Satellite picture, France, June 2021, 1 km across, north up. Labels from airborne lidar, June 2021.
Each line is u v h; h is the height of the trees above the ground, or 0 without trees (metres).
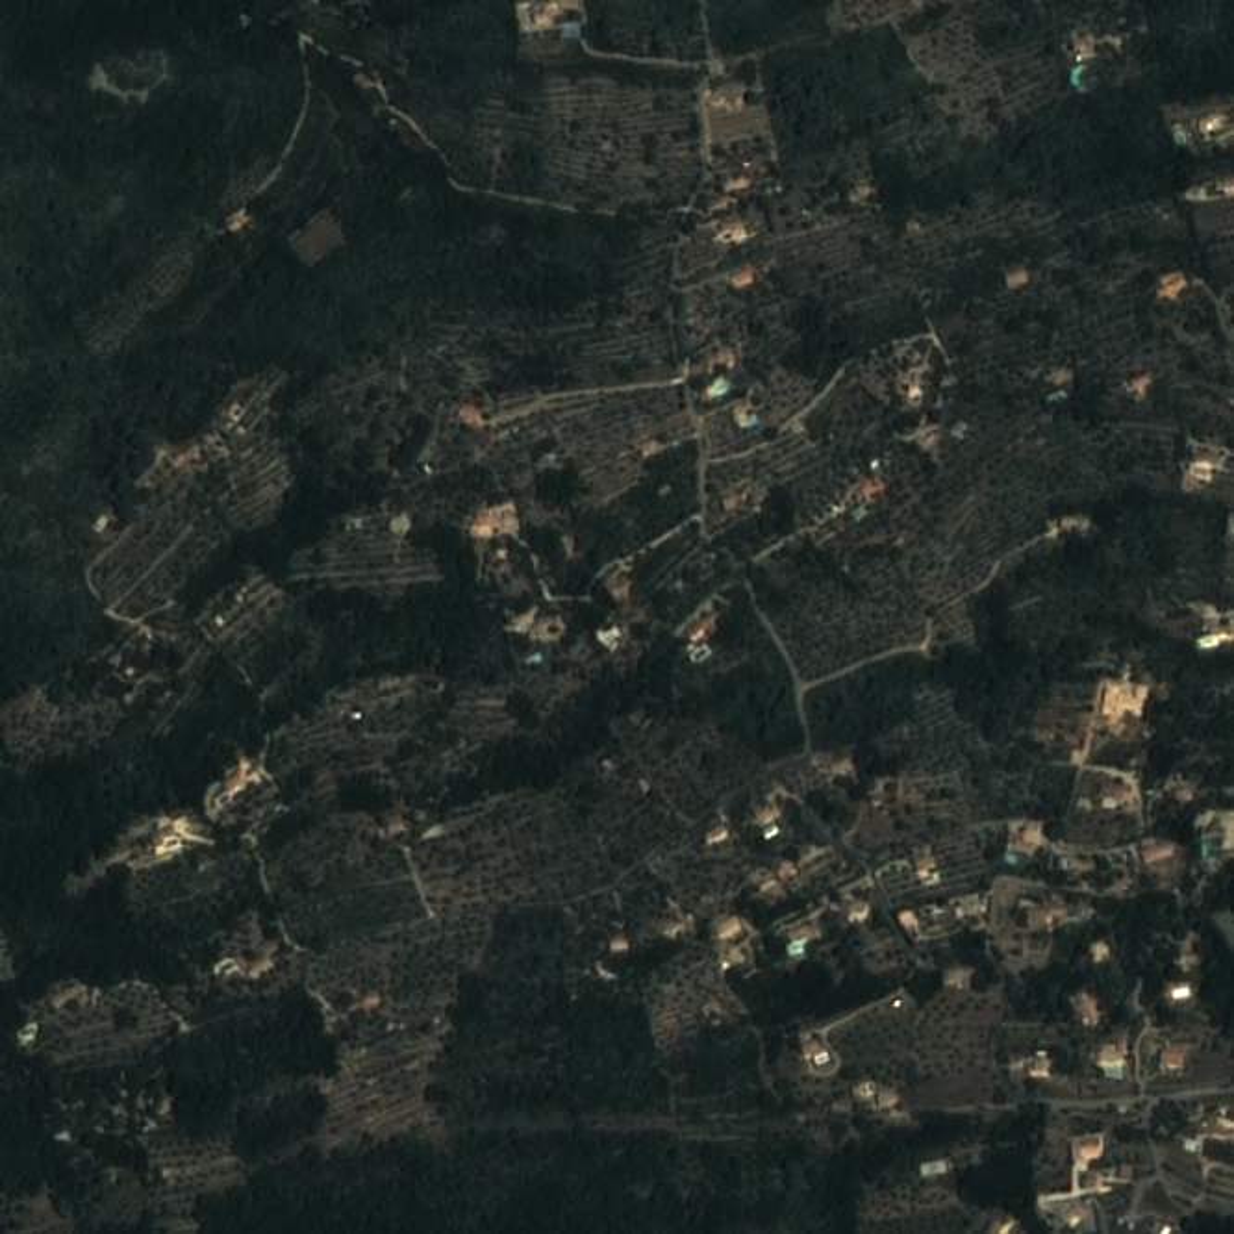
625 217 7
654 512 6
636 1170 8
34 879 13
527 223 10
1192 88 11
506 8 6
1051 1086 0
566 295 12
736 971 11
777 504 12
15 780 11
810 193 9
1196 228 7
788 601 6
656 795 10
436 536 8
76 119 8
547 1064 7
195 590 12
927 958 7
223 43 10
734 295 9
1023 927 6
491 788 12
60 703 12
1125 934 7
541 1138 8
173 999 6
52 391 7
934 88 7
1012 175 13
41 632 8
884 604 6
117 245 9
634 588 9
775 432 10
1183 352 7
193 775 10
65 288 8
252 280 11
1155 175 11
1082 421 11
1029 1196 14
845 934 8
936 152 14
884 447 6
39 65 13
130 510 18
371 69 9
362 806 14
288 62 6
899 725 12
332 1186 7
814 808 12
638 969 8
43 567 8
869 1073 8
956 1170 8
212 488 8
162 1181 7
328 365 6
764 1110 7
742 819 6
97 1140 8
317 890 7
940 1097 0
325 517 14
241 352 12
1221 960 11
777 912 7
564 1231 9
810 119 18
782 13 7
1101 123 10
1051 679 11
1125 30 10
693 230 10
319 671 6
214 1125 7
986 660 11
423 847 6
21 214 7
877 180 11
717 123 0
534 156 7
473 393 6
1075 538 8
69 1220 11
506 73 9
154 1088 12
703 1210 8
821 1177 10
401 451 12
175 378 8
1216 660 7
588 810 8
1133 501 11
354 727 7
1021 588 6
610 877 6
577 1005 9
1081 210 9
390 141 6
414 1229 11
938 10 7
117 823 6
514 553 8
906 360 6
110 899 13
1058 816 8
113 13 19
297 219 7
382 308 7
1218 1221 13
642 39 6
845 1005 11
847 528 6
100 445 8
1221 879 10
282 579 13
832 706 6
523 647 10
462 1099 6
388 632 8
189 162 8
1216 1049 8
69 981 10
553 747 8
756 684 8
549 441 9
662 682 10
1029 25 13
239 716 9
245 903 8
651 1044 6
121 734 12
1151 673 6
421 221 7
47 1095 7
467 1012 11
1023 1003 6
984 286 8
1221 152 8
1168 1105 9
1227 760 10
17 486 6
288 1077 9
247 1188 8
